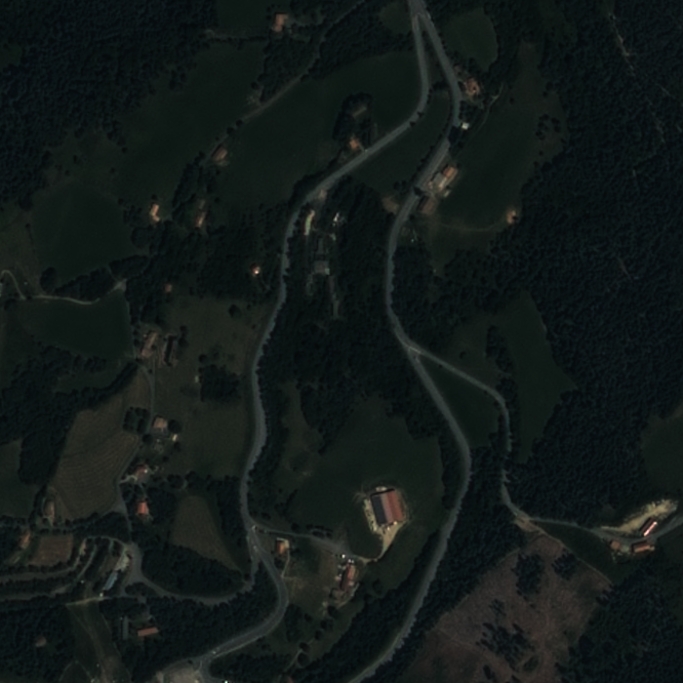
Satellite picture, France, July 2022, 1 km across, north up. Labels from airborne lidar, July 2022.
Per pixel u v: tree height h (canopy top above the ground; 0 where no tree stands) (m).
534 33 24
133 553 0
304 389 11
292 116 0
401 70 0
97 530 11
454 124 0
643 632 17
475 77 9
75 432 0
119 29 27
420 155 0
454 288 14
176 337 8
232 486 14
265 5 0
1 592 10
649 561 6
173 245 19
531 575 20
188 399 0
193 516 0
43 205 0
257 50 0
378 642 21
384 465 0
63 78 26
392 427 0
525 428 0
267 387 20
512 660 24
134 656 13
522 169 0
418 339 13
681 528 0
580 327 26
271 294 15
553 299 19
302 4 12
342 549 0
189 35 15
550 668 0
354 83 0
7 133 10
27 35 15
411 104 0
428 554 14
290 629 9
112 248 0
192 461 0
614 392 23
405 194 6
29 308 0
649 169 20
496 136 0
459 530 21
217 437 0
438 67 9
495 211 0
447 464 15
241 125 13
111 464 0
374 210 9
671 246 16
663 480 0
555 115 0
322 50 14
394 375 23
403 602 13
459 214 0
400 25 0
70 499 0
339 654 24
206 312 0
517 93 0
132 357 0
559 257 24
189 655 17
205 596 16
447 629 0
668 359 24
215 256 7
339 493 0
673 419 0
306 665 11
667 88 19
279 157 0
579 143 18
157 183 0
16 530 11
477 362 0
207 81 0
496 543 20
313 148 0
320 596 0
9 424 18
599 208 16
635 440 23
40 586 13
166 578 18
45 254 0
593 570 0
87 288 14
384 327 8
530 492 24
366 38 16
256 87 14
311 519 0
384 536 0
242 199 0
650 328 22
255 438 0
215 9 11
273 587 6
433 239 0
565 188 14
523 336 0
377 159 0
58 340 0
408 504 0
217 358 7
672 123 14
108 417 0
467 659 0
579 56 15
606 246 29
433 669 0
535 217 14
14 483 0
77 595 12
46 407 12
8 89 10
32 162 14
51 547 0
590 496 25
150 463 8
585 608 0
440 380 0
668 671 19
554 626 0
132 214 8
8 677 0
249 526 0
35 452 15
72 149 0
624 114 31
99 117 18
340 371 11
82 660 0
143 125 0
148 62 14
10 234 0
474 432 0
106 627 0
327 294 12
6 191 22
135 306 9
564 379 0
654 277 26
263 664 13
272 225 7
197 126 0
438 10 13
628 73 21
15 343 0
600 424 21
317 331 25
